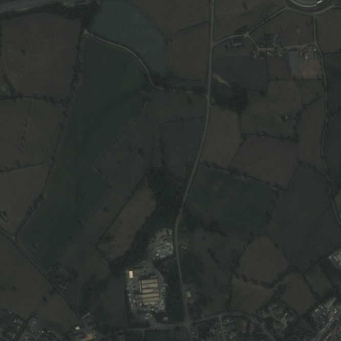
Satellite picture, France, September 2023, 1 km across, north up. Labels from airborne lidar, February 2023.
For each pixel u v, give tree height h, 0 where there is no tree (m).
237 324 0
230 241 0
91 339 0
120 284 0
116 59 0
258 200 0
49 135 0
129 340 19
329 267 0
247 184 0
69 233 0
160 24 0
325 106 9
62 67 0
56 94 0
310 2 0
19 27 0
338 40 0
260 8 0
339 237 0
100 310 0
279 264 0
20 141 0
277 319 0
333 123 0
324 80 0
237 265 10
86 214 0
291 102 0
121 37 0
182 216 0
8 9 0
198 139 0
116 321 0
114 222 0
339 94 0
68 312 0
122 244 0
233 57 0
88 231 0
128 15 0
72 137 0
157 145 0
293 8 0
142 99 0
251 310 0
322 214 0
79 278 0
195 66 0
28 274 0
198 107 0
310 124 0
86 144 0
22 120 0
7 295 0
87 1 0
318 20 0
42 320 0
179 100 0
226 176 0
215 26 0
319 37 0
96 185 0
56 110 0
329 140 0
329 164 0
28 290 0
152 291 0
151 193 0
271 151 0
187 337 0
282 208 0
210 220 0
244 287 0
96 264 0
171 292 14
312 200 0
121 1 0
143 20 0
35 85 0
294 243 0
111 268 19
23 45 0
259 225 0
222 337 0
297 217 0
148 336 0
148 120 0
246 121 0
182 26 0
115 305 0
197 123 0
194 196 0
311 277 0
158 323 0
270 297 0
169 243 0
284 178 0
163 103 0
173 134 0
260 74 0
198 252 0
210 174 0
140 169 0
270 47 0
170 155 0
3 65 0
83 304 0
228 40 0
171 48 0
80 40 8
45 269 0
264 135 11
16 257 0
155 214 9
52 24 0
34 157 0
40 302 0
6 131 0
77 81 12
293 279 0
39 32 0
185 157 0
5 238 0
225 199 0
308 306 0
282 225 0
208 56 0
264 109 0
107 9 0
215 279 0
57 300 0
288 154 0
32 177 0
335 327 0
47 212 0
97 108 0
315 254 0
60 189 0
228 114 0
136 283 0
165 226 0
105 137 0
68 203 0
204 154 0
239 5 0
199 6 0
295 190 0
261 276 0
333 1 0
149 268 0
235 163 0
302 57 0
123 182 0
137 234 10
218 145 0
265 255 0
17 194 0
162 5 0
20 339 0
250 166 0
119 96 0
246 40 0
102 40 0
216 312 0
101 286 0
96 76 0
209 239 0
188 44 0
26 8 0
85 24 20
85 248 0
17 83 0
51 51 0
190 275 0
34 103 0
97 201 0
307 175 0
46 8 6
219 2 0
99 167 0
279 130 0
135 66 0
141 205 0
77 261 0
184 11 0
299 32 0
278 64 0
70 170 0
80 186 0
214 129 0
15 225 0
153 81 14
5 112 0
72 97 11
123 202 0
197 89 12
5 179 0
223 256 0
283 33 0
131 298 0
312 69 0
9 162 0
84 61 0
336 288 8
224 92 0
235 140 0
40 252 0
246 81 0
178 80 0
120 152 0
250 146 0
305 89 0
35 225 0
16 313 0
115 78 0
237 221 0
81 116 0
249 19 0
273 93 0
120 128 0
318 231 0
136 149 0
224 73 0
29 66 0
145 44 0
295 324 11
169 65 0
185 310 0
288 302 0
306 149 0
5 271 0
